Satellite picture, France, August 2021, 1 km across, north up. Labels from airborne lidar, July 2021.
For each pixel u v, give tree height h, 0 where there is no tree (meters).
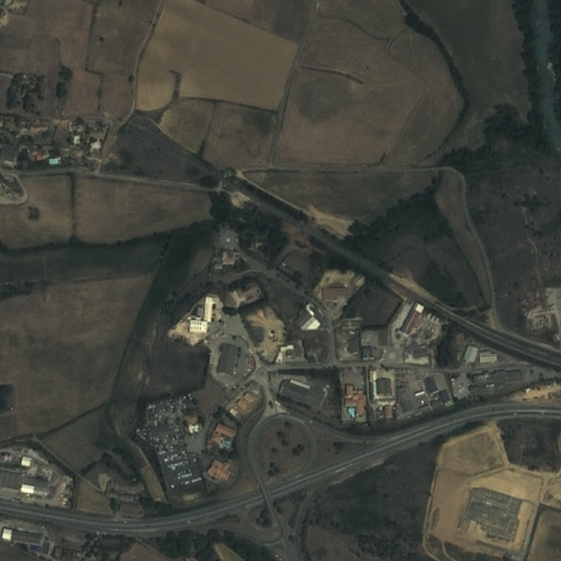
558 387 0
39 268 0
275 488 0
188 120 0
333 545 0
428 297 0
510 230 0
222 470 0
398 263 0
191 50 0
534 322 0
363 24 0
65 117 0
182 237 0
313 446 0
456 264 0
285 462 0
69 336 0
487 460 0
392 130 0
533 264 0
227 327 0
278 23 0
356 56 0
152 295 0
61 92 14
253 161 0
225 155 0
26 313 0
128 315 0
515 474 0
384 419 0
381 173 0
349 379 0
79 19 0
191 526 0
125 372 0
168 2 0
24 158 12
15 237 0
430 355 6
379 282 9
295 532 0
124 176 0
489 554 0
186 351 0
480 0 0
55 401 0
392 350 0
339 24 0
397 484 0
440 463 0
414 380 0
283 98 0
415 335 0
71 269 0
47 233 0
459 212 0
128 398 0
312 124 0
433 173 0
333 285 0
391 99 0
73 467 0
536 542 0
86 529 0
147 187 0
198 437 0
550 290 0
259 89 0
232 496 0
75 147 0
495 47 0
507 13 0
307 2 0
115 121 0
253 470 0
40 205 0
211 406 0
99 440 0
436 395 0
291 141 0
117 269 0
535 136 22
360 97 0
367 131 0
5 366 0
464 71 0
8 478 0
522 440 0
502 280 0
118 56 0
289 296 0
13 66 0
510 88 0
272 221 11
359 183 0
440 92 0
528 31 11
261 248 9
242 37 0
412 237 0
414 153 0
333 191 0
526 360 0
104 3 0
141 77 0
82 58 0
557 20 24
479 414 0
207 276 0
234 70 0
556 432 0
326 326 0
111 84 0
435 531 0
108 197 0
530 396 0
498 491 0
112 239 0
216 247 7
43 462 0
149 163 0
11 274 0
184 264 0
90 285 0
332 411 0
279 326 0
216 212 17
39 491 0
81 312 0
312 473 0
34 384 0
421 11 0
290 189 0
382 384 0
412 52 0
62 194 0
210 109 0
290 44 0
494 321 0
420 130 0
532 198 11
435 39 12
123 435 0
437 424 0
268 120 0
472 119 0
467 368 0
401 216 8
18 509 0
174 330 0
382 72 0
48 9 0
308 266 0
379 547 10
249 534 0
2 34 0
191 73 0
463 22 0
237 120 0
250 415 0
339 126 0
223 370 0
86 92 0
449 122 0
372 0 0
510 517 0
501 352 0
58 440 0
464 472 0
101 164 0
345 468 0
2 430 0
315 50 0
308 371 8
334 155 0
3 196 0
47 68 0
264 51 0
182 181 0
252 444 0
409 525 0
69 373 0
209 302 0
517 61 0
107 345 0
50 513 0
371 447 0
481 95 0
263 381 0
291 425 8
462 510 0
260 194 6
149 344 0
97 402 0
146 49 0
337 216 0
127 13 0
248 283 10
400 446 0
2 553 0
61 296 0
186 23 0
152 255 0
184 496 0
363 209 0
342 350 0
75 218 0
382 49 0
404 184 0
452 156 10
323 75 0
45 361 0
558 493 0
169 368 0
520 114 24
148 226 0
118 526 0
